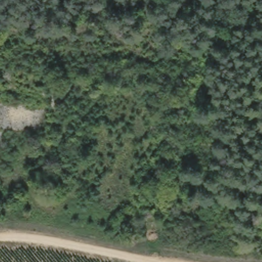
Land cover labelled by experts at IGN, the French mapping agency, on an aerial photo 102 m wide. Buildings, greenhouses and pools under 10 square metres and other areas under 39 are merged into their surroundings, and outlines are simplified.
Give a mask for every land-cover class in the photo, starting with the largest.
<instances>
[{"label":"brushwood","instance_id":"1","mask_svg":"<svg viewBox=\"0 0 262 262\"><path fill-rule=\"evenodd\" d=\"M68 28L59 29L53 23H50V27H45V23L38 18L33 29L13 27L0 34V102L13 107L23 105L29 111H44L40 123L35 126H27L23 130L0 126V223L8 220L15 223L20 221L55 226L69 229L73 234L85 228V232L89 236H95L96 241L107 231L105 235L112 243L123 233L140 234L143 237L157 234L167 245L165 248L186 253L203 252L207 255L236 258L237 253L233 248L243 243L241 239L236 238L238 224L231 217L230 209L219 203L214 204L210 199L213 192L201 185L202 180L215 183L218 171L210 170L211 160L215 158L210 152L214 140L209 138L211 133L203 126L217 118L211 114L216 106L211 101L209 87L202 84L207 59L200 50L173 47L167 56L163 57L162 50L151 38L136 39L124 44L118 40V36L112 35L105 28L106 21L111 19L104 8L96 13L80 8L77 14L70 13ZM177 167H181L180 176L175 178V181L179 182V188L160 186L156 198H152L151 192L143 187L145 183L150 180L159 183L160 178L156 175L158 171L166 172ZM67 186L71 192L57 201L38 194L42 188L52 190L55 187Z\"/></svg>","mask_w":262,"mask_h":262},{"label":"coniferous trees","instance_id":"2","mask_svg":"<svg viewBox=\"0 0 262 262\"><path fill-rule=\"evenodd\" d=\"M80 8L96 13L104 8L111 19L106 21L105 28L112 35L118 36V40L124 44L136 39L151 38L162 50L163 57L167 56L173 47L200 50L207 59L202 84L209 87L211 101L216 106L211 114L217 118L203 126L211 133L209 138L214 140L210 152L215 158L211 160L210 170L218 171L215 183L202 180L201 185L213 192L210 199L214 204L219 203L230 209L231 217L238 224L236 238L241 239L243 243L233 248L237 253L236 258L254 257L262 260V0H0V34L13 27L33 29L38 18L45 23V27H50V23H53L59 29L68 28L70 13L77 14Z\"/></svg>","mask_w":262,"mask_h":262},{"label":"herbaceous vegetation","instance_id":"3","mask_svg":"<svg viewBox=\"0 0 262 262\"><path fill-rule=\"evenodd\" d=\"M15 230L39 233L132 254H155L163 258L191 262H262V260L254 257L236 258L207 255L203 252L186 253L165 248L167 245L157 234L143 237L140 234L123 233L112 243L105 235L107 231L96 241L95 236H89L85 232V228L73 234L69 229L55 226L20 221L15 223L8 220L0 223V232Z\"/></svg>","mask_w":262,"mask_h":262},{"label":"pervious surface","instance_id":"4","mask_svg":"<svg viewBox=\"0 0 262 262\"><path fill-rule=\"evenodd\" d=\"M0 242L62 248L125 262H191L163 258L155 254H132L39 233L15 230L0 232Z\"/></svg>","mask_w":262,"mask_h":262},{"label":"vineyard","instance_id":"5","mask_svg":"<svg viewBox=\"0 0 262 262\"><path fill-rule=\"evenodd\" d=\"M0 262H125L62 248L0 242Z\"/></svg>","mask_w":262,"mask_h":262},{"label":"bare soil","instance_id":"6","mask_svg":"<svg viewBox=\"0 0 262 262\"><path fill-rule=\"evenodd\" d=\"M44 111H29L23 105L13 107L0 102V126L23 130L27 126H35L40 123Z\"/></svg>","mask_w":262,"mask_h":262},{"label":"deciduous trees","instance_id":"7","mask_svg":"<svg viewBox=\"0 0 262 262\"><path fill-rule=\"evenodd\" d=\"M181 167H177L166 172L158 171L156 175L160 178L159 183L150 180L145 183L143 187L151 192L152 198H156L160 186L179 188V182L175 181V178L180 176ZM71 192L67 186L55 187L52 190L42 188L38 194L57 201Z\"/></svg>","mask_w":262,"mask_h":262}]
</instances>
